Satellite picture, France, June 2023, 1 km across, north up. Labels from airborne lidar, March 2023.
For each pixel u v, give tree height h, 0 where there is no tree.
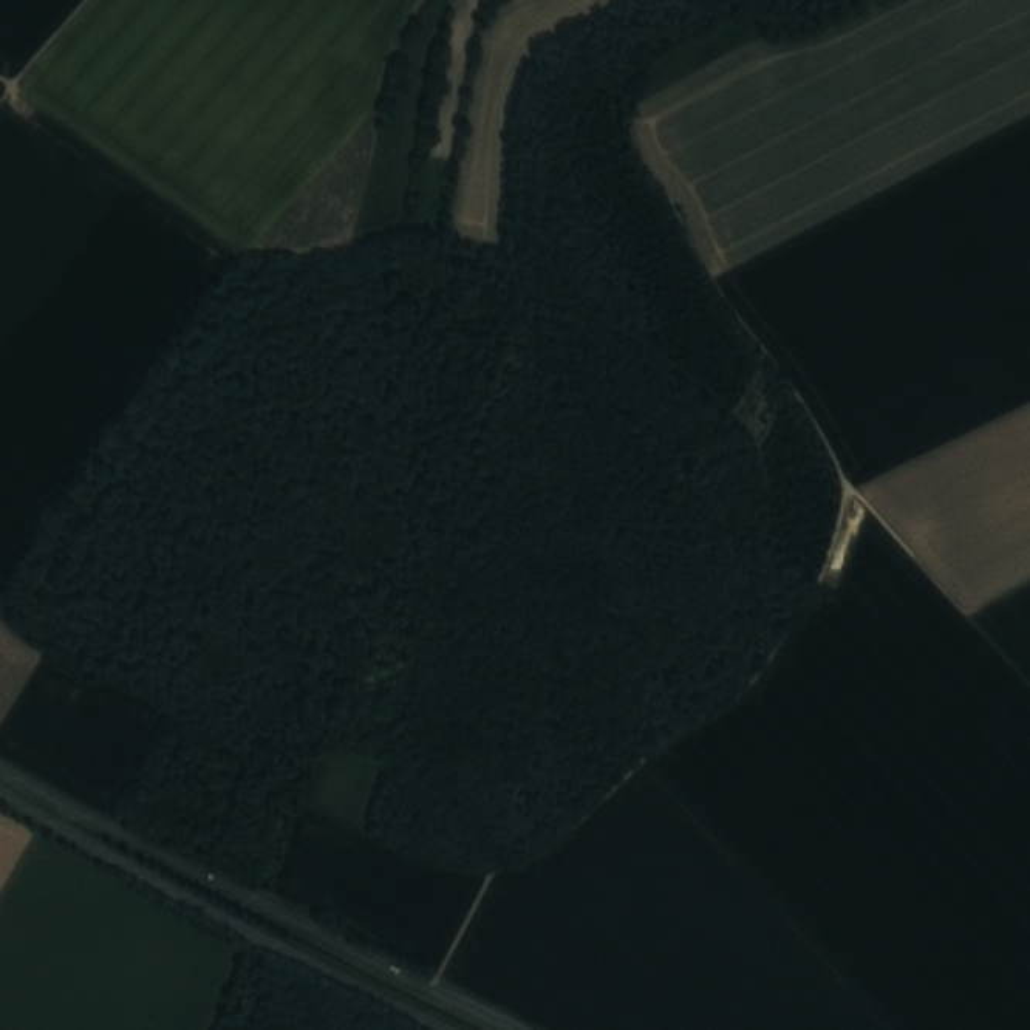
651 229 10
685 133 0
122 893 0
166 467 22
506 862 18
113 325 0
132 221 0
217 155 0
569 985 0
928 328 0
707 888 0
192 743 24
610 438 24
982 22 0
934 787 0
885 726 0
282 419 25
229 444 25
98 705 0
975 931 0
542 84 19
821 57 0
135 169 0
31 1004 0
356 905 0
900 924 0
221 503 25
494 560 22
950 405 0
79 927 0
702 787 0
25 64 0
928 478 0
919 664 0
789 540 9
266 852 25
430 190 0
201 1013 0
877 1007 0
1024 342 0
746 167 0
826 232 0
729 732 0
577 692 24
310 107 0
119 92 0
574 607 25
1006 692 0
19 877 0
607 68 19
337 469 26
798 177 0
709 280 14
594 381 28
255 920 9
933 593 0
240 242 0
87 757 0
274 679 20
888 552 0
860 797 0
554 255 23
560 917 0
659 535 24
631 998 0
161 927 0
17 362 0
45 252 0
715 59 0
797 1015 0
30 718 0
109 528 11
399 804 20
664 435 24
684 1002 0
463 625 21
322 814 0
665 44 18
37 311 0
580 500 24
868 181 0
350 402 25
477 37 7
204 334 23
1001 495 0
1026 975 0
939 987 0
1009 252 0
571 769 22
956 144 0
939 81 0
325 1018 22
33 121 0
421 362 21
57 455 0
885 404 0
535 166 19
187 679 18
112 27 0
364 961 0
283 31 0
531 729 23
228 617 23
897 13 0
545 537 26
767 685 0
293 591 25
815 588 18
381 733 18
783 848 0
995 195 0
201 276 0
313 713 27
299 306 22
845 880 0
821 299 0
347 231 0
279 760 30
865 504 0
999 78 0
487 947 0
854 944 0
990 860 0
